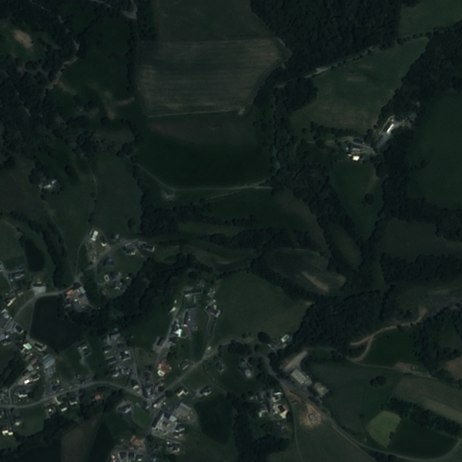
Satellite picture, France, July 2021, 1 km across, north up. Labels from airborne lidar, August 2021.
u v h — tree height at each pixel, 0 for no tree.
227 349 11
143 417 0
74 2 7
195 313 0
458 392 0
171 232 21
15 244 0
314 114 0
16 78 17
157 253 0
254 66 0
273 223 0
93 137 13
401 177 15
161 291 24
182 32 0
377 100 0
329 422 0
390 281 19
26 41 0
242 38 0
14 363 17
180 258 22
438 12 0
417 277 15
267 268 20
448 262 17
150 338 0
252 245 22
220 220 12
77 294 0
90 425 0
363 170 0
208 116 0
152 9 0
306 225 0
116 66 0
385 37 19
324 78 0
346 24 24
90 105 13
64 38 19
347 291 20
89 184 0
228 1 0
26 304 0
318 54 18
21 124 26
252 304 0
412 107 20
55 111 8
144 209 10
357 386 0
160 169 0
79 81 0
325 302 18
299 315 0
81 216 0
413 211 21
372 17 18
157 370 0
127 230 0
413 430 0
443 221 22
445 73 14
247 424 13
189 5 0
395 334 0
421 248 0
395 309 24
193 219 20
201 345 0
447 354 20
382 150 5
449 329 0
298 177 21
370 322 22
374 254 24
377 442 0
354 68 0
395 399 9
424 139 0
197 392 0
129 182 0
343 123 0
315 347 10
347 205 0
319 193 16
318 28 13
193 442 0
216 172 0
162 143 0
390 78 0
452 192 0
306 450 0
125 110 0
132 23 13
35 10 20
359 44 20
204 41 0
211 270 18
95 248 0
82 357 0
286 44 11
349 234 8
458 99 0
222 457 0
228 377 0
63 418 13
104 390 9
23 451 22
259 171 0
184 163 0
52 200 0
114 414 0
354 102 0
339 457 0
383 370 0
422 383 0
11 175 0
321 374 0
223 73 0
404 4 14
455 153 0
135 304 23
